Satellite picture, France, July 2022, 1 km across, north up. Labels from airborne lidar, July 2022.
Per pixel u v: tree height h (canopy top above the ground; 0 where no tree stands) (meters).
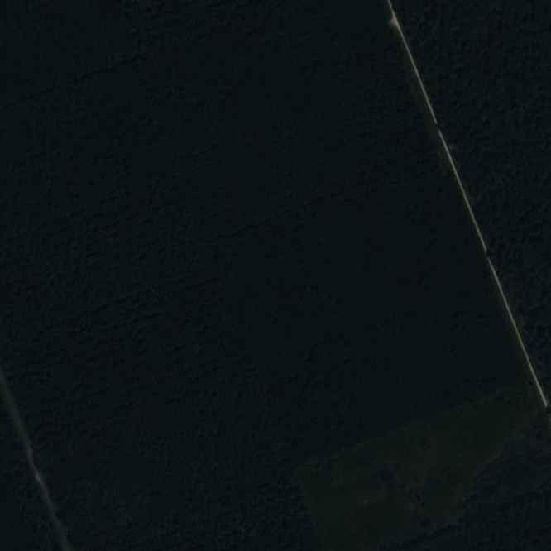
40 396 15
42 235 23
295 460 19
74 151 18
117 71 15
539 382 0
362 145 14
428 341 13
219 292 15
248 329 15
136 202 17
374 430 12
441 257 16
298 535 18
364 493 0
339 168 13
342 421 21
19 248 24
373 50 15
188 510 7
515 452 6
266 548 19
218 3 18
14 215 21
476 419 0
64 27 8
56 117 14
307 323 14
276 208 19
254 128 13
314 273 14
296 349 15
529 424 0
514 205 26
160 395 19
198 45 15
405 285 17
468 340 14
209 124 20
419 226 16
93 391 16
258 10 15
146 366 18
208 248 22
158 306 23
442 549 21
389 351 13
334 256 14
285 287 14
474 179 21
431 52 25
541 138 21
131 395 20
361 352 13
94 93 16
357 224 14
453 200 17
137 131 21
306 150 16
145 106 13
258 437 19
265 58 14
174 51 14
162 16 18
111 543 20
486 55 18
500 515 26
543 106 25
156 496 19
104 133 13
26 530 7
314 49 15
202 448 20
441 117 18
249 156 15
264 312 13
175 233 14
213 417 18
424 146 18
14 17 6
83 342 20
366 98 15
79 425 15
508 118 23
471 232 17
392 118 18
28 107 13
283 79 16
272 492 18
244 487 20
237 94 16
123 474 18
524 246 26
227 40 13
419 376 12
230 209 15
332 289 15
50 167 17
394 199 14
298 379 21
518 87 26
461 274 17
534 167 25
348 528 0
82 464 18
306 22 16
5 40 8
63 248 17
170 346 15
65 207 23
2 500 8
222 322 14
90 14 9
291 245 16
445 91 28
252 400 21
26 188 19
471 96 19
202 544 19
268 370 16
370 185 14
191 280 15
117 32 8
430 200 17
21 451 20
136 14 21
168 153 12
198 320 19
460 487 0
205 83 14
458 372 14
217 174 12
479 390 21
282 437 21
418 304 18
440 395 12
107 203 20
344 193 14
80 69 7
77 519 16
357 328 13
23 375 20
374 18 14
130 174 18
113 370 15
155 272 15
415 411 14
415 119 18
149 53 15
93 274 13
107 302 12
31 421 13
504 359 12
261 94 15
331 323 20
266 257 15
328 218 17
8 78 8
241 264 14
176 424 15
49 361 18
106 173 16
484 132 18
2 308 21
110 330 15
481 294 15
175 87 17
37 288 21
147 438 18
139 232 16
